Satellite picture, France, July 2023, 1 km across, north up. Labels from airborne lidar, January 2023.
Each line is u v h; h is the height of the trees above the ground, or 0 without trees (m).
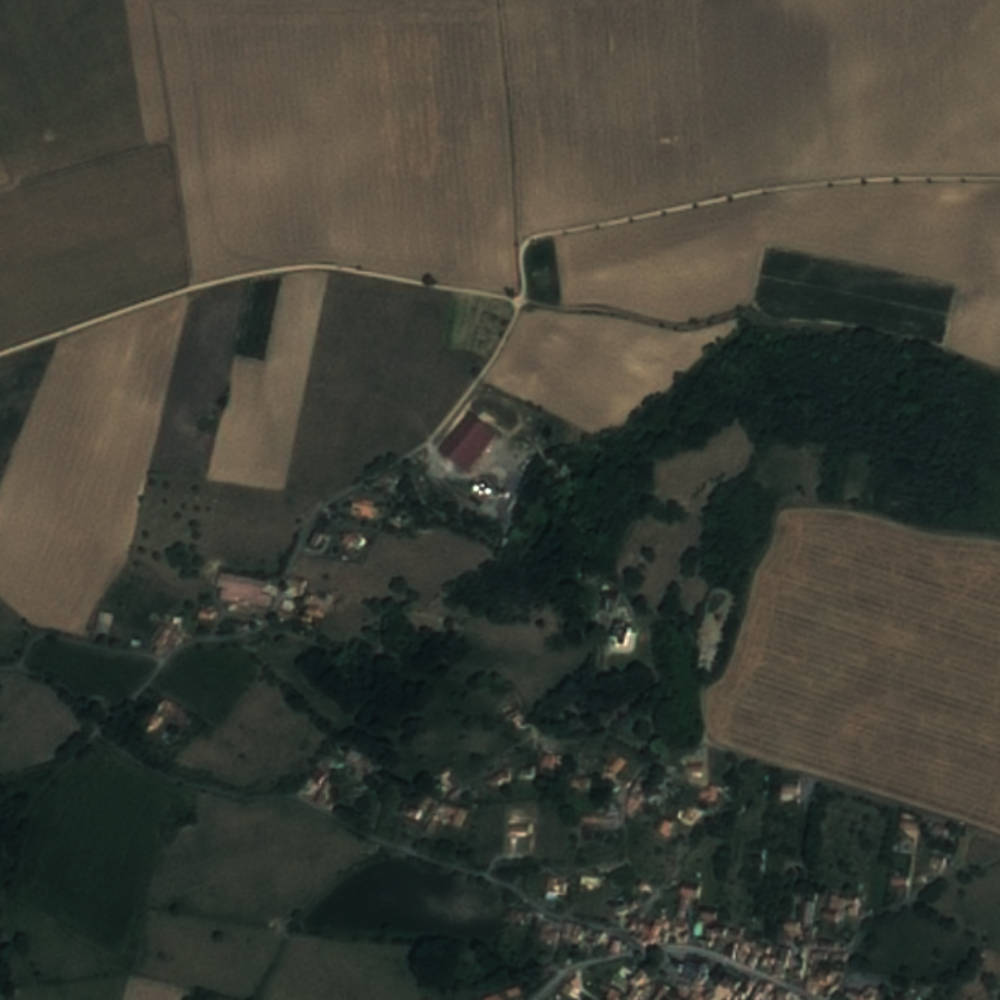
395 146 0
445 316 0
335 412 0
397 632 19
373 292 0
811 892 11
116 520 0
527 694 0
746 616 0
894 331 0
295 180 0
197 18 0
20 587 0
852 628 0
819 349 15
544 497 24
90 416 0
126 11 0
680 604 14
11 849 10
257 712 0
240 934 0
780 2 0
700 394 13
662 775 14
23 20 0
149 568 0
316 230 0
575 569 28
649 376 0
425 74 0
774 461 0
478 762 12
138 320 0
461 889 0
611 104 0
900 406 19
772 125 0
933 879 0
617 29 0
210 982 0
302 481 0
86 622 0
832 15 0
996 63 0
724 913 13
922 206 0
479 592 19
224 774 0
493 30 0
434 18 0
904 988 9
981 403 10
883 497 10
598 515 17
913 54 0
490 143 0
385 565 0
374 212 0
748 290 0
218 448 0
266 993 0
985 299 0
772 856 7
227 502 0
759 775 13
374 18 0
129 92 0
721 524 17
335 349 0
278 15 0
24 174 0
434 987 32
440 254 0
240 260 0
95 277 0
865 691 0
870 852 8
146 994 0
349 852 0
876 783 0
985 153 0
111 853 0
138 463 0
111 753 0
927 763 0
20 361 0
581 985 0
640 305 0
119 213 0
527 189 0
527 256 0
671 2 0
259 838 0
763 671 0
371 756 21
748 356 17
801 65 0
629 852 0
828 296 0
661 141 0
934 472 17
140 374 0
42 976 11
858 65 0
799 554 0
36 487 0
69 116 0
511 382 0
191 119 0
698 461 0
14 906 0
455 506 8
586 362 0
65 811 0
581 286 0
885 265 0
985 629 0
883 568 0
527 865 9
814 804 6
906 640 0
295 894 0
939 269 0
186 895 0
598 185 0
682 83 0
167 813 0
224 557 0
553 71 0
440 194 0
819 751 0
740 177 0
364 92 0
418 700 17
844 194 0
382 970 0
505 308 0
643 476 18
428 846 9
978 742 0
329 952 0
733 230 0
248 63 0
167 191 0
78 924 0
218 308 0
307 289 0
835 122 0
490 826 0
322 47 0
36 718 0
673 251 0
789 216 0
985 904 0
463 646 27
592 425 0
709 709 0
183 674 0
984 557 0
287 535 0
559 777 7
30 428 0
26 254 0
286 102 0
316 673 26
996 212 0
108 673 0
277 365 0
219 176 0
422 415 0
